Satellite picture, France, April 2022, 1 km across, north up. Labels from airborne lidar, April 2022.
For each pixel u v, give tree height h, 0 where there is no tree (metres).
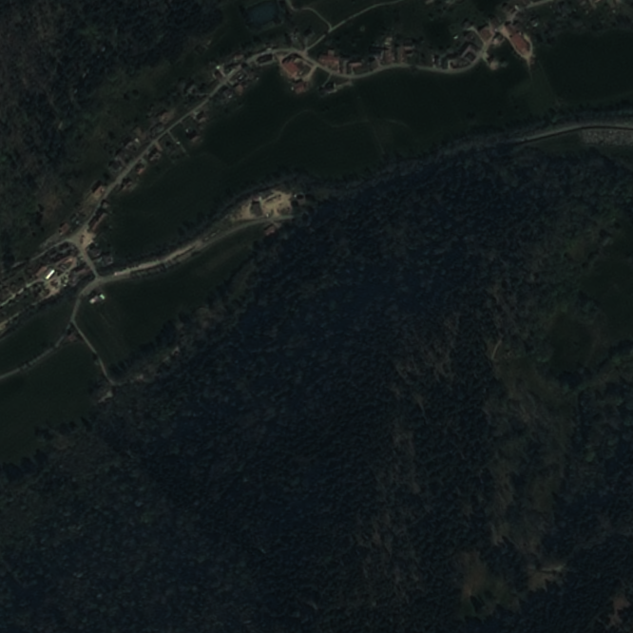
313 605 0
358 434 26
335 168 0
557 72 0
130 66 26
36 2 29
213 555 18
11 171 22
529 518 20
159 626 11
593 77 0
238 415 30
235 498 22
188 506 25
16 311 0
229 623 14
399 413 29
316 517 13
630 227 0
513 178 26
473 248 26
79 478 11
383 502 17
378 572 22
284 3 17
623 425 6
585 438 10
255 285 15
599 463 11
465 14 0
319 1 0
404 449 21
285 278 29
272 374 12
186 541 23
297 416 22
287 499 13
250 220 0
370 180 22
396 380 25
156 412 17
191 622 16
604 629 8
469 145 19
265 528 25
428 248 10
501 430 32
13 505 10
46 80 37
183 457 18
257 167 0
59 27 36
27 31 32
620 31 0
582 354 0
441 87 0
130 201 0
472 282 24
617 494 26
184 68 0
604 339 0
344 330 17
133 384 13
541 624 25
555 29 18
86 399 0
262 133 0
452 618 32
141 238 0
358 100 0
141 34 40
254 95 0
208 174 0
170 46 21
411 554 24
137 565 17
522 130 22
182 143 0
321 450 26
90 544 17
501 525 27
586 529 28
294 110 0
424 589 28
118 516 17
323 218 27
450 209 20
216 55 0
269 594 13
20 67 33
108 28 39
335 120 0
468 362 29
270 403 24
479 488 32
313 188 21
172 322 0
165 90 0
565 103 0
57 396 0
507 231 30
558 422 17
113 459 16
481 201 30
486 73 0
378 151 0
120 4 34
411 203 22
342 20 0
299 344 22
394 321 20
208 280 0
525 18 8
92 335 0
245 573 24
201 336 21
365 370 17
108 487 8
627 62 0
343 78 0
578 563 20
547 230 20
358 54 10
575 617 23
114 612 14
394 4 0
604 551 21
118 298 0
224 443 25
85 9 35
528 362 0
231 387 20
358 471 24
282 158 0
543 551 12
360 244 25
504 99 0
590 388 17
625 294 0
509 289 23
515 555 22
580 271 10
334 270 10
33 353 0
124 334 0
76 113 41
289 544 27
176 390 17
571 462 16
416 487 27
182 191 0
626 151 0
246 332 16
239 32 0
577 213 24
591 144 0
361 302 14
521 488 29
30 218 20
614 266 0
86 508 16
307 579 25
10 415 0
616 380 0
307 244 30
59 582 11
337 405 22
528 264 21
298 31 8
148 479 21
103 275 0
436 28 0
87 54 33
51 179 29
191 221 0
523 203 32
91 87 36
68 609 9
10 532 8
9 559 11
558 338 0
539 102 0
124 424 20
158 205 0
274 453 25
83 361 0
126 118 0
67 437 27
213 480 17
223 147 0
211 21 27
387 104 0
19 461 0
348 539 16
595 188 23
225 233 0
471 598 0
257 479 27
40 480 11
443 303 23
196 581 12
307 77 0
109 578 9
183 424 14
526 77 0
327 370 7
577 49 0
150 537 11
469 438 32
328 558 20
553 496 0
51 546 8
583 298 18
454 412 29
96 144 0
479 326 25
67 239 0
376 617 32
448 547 37
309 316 24
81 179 24
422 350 21
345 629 34
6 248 21
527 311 24
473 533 41
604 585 17
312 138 0
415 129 0
